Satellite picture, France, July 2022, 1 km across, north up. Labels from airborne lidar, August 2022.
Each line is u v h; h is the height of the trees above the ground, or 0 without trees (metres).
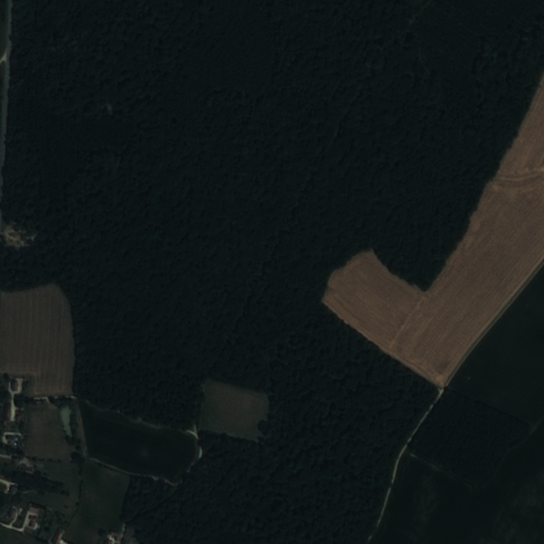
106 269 25
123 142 12
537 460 0
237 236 19
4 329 0
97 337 26
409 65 22
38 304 0
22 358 0
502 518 0
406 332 0
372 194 25
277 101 23
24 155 20
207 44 18
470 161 20
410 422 16
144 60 31
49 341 0
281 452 13
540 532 0
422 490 0
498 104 24
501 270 0
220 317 27
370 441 22
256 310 19
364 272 0
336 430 24
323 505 23
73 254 24
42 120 12
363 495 13
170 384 24
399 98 25
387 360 21
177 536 22
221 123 19
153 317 27
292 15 23
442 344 0
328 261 27
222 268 19
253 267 23
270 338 25
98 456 0
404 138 24
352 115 24
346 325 16
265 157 27
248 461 21
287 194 22
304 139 24
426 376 0
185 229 24
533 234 0
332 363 26
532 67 14
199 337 26
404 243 23
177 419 21
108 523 0
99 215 22
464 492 0
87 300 20
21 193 21
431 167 25
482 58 22
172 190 25
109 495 0
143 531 17
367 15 23
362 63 23
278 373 27
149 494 25
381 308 0
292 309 24
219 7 16
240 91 18
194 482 21
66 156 12
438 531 0
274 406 19
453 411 10
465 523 0
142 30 30
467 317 0
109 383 20
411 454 0
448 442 11
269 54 17
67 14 22
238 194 19
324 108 21
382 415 25
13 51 11
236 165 22
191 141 24
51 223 11
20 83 17
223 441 19
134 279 24
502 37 7
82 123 11
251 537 13
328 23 23
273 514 7
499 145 19
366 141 23
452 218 26
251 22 16
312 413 19
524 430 11
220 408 0
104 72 22
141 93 25
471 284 0
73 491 0
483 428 12
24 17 22
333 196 25
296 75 22
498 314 0
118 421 0
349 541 19
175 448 0
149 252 26
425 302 0
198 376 25
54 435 0
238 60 17
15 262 24
